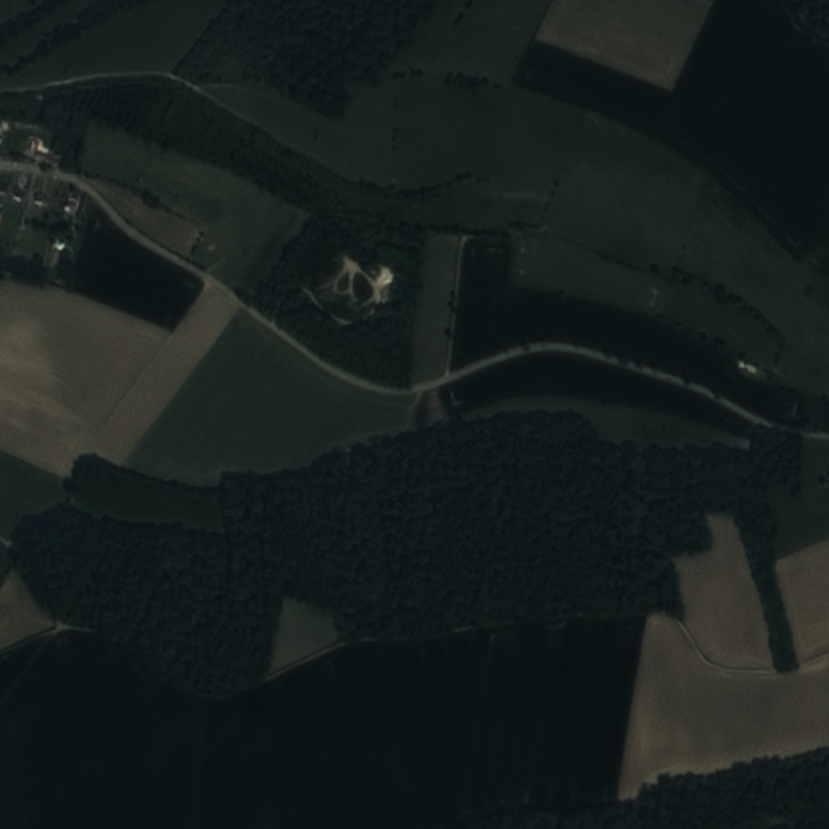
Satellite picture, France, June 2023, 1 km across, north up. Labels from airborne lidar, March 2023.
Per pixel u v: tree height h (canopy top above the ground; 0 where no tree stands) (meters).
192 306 0
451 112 0
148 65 0
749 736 0
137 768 0
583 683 0
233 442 0
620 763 0
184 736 0
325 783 0
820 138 0
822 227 0
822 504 0
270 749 0
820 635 0
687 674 0
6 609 0
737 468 23
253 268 0
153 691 0
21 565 14
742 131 0
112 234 0
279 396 0
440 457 24
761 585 10
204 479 0
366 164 0
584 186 0
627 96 0
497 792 0
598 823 23
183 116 0
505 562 22
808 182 0
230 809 0
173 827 0
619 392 0
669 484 22
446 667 0
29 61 6
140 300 0
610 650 0
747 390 0
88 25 17
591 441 19
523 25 0
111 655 0
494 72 0
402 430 0
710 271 0
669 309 0
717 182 0
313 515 28
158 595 21
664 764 0
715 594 0
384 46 17
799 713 0
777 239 0
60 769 0
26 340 0
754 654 0
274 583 19
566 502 26
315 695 0
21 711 0
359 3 18
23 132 0
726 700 0
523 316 0
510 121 0
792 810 16
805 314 0
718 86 0
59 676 0
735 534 0
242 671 19
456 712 0
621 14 0
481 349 0
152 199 12
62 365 0
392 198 6
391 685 0
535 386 0
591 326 0
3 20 0
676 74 0
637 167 0
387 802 0
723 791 19
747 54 0
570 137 0
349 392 0
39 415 0
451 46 0
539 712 0
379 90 0
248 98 0
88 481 0
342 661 0
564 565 20
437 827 0
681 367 0
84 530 29
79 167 7
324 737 0
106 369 0
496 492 24
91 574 0
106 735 0
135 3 12
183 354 0
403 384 20
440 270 0
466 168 0
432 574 17
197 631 26
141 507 0
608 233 0
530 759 0
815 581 0
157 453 0
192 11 0
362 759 0
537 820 18
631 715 0
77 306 0
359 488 25
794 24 0
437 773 0
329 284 0
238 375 0
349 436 0
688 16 0
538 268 0
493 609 20
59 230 13
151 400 0
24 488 0
